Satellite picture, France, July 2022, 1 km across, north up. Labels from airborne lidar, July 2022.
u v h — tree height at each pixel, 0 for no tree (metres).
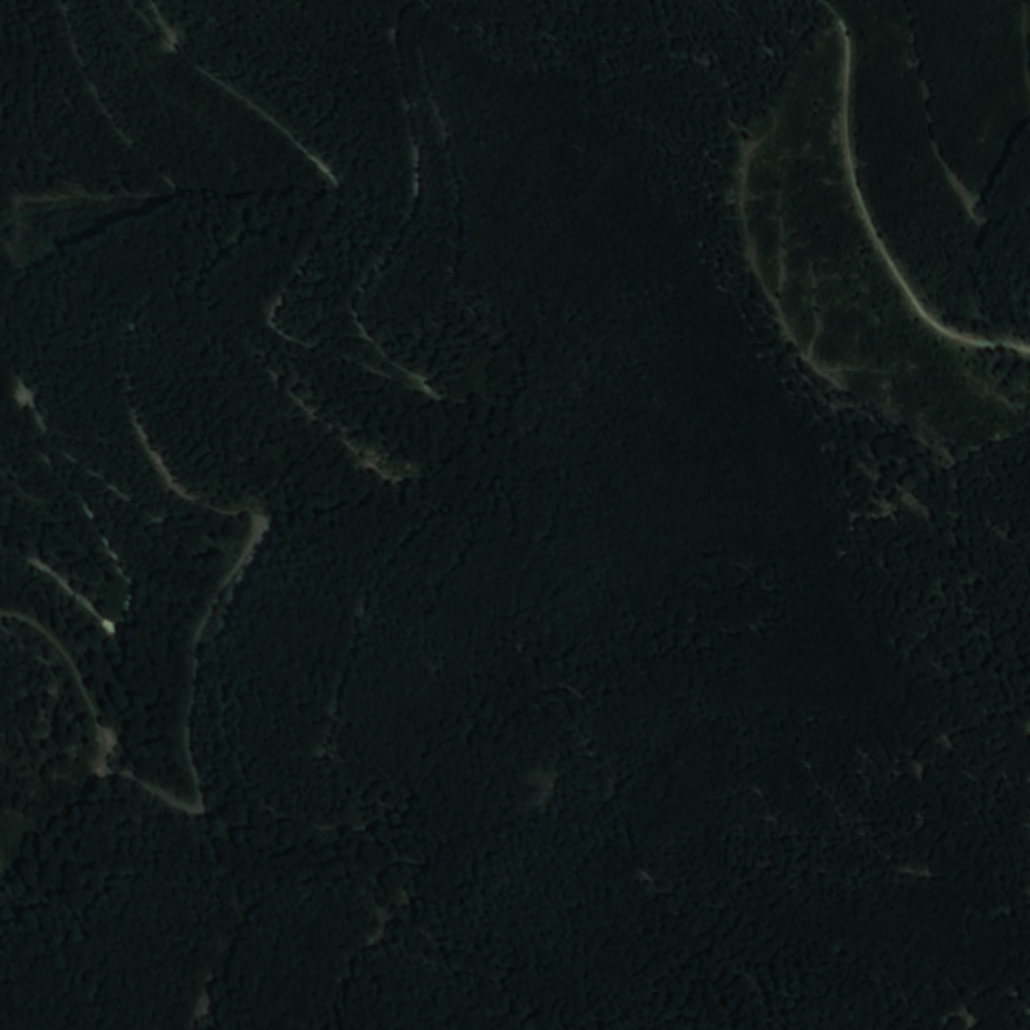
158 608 22
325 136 17
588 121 14
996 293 21
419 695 18
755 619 20
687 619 22
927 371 8
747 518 12
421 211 16
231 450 23
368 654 15
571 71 16
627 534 12
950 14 24
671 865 15
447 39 14
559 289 26
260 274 23
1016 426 13
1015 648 32
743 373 15
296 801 19
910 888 19
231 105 9
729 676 15
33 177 28
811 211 6
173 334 14
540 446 11
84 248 27
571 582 14
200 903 22
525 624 11
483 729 28
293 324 16
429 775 32
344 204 24
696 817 12
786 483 9
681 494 16
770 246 8
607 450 16
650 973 27
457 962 26
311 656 19
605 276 17
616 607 16
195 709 10
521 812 6
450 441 12
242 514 12
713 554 9
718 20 24
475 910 16
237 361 23
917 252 10
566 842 12
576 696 20
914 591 29
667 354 14
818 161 8
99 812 34
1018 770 26
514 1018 30
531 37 22
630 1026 32
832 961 28
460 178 11
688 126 19
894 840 23
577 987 23
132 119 8
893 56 10
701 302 13
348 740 18
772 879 15
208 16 16
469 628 14
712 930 15
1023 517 28
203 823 15
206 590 19
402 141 16
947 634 29
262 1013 27
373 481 33
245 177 16
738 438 14
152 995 22
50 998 22
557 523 10
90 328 14
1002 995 30
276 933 17
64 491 24
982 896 19
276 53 20
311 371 23
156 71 6
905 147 9
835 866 20
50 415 8
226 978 14
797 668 18
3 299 14
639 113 15
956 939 10
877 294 10
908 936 12
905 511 29
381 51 19
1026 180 33
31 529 30
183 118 11
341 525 21
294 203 28
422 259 18
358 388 23
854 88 6
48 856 43
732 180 30
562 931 22
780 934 22
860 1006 21
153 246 22
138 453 24
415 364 19
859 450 26
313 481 27
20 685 13
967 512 26
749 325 18
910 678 23
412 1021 16
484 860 18
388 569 14
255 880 26
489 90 8
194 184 7
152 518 10
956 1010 19
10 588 21
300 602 13
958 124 20
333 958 24
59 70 12
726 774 11
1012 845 28
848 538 20
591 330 14
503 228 15
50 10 14
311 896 11
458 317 21
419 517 22
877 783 19
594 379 10
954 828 25
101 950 28
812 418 19
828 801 19
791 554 12
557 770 7
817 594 17
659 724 13
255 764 18
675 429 15
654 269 12
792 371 26
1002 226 21
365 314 16
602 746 12
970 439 11
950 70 22
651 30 18
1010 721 25
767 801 13
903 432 29
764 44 23
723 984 32
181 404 23
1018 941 22
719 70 20
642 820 19
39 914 29
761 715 17
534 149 12
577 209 11
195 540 37
